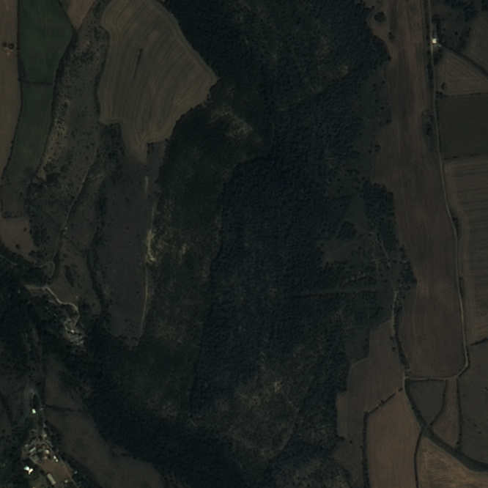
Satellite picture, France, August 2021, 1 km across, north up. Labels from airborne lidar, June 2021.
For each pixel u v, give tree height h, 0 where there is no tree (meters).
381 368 0
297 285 6
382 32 0
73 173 0
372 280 8
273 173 8
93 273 6
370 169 0
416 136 0
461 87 0
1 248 7
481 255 0
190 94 0
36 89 0
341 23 6
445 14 0
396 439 0
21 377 6
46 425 9
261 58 8
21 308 14
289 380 6
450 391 0
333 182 7
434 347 0
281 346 6
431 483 0
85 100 0
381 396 0
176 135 9
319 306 5
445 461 0
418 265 0
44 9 0
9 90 0
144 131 0
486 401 0
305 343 6
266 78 10
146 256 0
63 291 0
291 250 6
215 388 6
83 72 0
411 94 0
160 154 0
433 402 0
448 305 0
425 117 0
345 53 9
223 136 8
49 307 10
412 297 0
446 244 0
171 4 8
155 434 9
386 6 0
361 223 0
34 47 0
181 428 7
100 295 6
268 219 6
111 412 12
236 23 8
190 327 7
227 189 11
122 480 0
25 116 0
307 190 8
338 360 6
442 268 0
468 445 0
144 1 0
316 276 9
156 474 0
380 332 0
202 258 7
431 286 0
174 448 7
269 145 11
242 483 11
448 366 0
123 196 0
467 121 0
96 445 0
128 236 0
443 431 0
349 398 0
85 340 10
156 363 7
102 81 0
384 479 0
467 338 0
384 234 5
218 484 14
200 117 11
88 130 0
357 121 7
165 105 0
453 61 0
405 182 0
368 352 0
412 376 0
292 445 8
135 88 0
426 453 0
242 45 9
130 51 0
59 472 0
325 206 7
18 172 0
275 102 7
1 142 0
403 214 0
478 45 0
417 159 0
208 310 11
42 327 14
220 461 12
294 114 6
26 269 7
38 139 0
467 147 0
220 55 9
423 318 0
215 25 6
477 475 0
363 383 0
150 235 0
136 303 0
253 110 6
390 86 0
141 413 10
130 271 0
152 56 0
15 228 0
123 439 13
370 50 8
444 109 0
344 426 0
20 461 12
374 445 0
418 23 0
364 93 0
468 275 0
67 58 7
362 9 7
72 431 0
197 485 10
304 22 8
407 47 0
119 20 0
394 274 0
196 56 0
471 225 0
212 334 5
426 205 0
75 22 0
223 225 6
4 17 0
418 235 0
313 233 6
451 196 0
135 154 0
